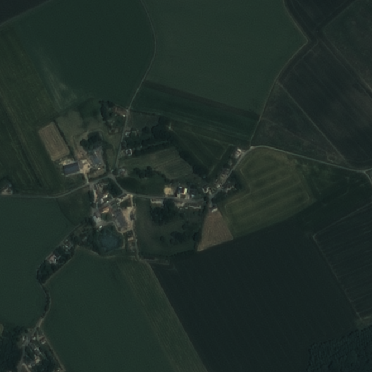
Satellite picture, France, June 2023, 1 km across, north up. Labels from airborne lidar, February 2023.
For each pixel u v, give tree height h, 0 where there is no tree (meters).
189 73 0
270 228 0
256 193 0
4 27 0
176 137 0
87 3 0
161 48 0
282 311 0
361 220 0
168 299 0
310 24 0
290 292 0
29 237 0
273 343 0
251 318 0
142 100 0
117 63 0
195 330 0
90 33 0
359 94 0
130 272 0
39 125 0
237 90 0
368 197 0
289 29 0
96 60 0
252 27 0
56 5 0
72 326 0
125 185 0
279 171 0
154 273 0
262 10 0
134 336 0
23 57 0
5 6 0
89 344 0
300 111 0
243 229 0
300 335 0
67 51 0
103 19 0
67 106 0
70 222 0
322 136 0
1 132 0
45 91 0
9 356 12
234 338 0
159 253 0
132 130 6
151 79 0
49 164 0
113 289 0
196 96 0
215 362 0
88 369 0
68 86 0
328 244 0
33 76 0
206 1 0
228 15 0
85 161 0
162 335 0
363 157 0
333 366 20
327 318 0
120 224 0
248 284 0
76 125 0
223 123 0
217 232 0
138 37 0
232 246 0
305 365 0
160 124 12
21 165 0
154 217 10
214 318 0
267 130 0
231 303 0
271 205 0
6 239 0
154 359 0
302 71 0
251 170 0
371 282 0
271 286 0
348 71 0
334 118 0
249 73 0
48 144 0
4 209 0
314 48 0
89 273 0
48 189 0
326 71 0
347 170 0
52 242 0
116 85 0
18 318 0
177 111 0
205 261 0
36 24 0
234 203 0
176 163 0
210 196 0
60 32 0
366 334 22
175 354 0
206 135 0
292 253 0
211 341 0
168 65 0
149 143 15
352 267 0
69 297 0
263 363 0
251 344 0
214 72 0
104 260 0
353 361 22
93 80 0
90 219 8
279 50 0
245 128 0
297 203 0
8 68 0
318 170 0
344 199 0
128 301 0
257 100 0
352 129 0
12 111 0
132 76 0
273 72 0
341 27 0
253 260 0
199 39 0
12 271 0
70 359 0
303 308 0
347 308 0
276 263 0
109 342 0
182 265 0
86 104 0
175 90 0
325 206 0
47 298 9
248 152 0
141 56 0
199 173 17
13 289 0
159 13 0
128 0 0
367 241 0
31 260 0
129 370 0
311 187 0
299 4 0
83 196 0
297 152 0
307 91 0
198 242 22
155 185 0
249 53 0
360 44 0
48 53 0
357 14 0
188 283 0
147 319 0
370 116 0
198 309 0
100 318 0
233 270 0
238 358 0
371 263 0
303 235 0
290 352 0
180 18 0
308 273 0
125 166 0
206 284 0
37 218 0
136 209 0
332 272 0
